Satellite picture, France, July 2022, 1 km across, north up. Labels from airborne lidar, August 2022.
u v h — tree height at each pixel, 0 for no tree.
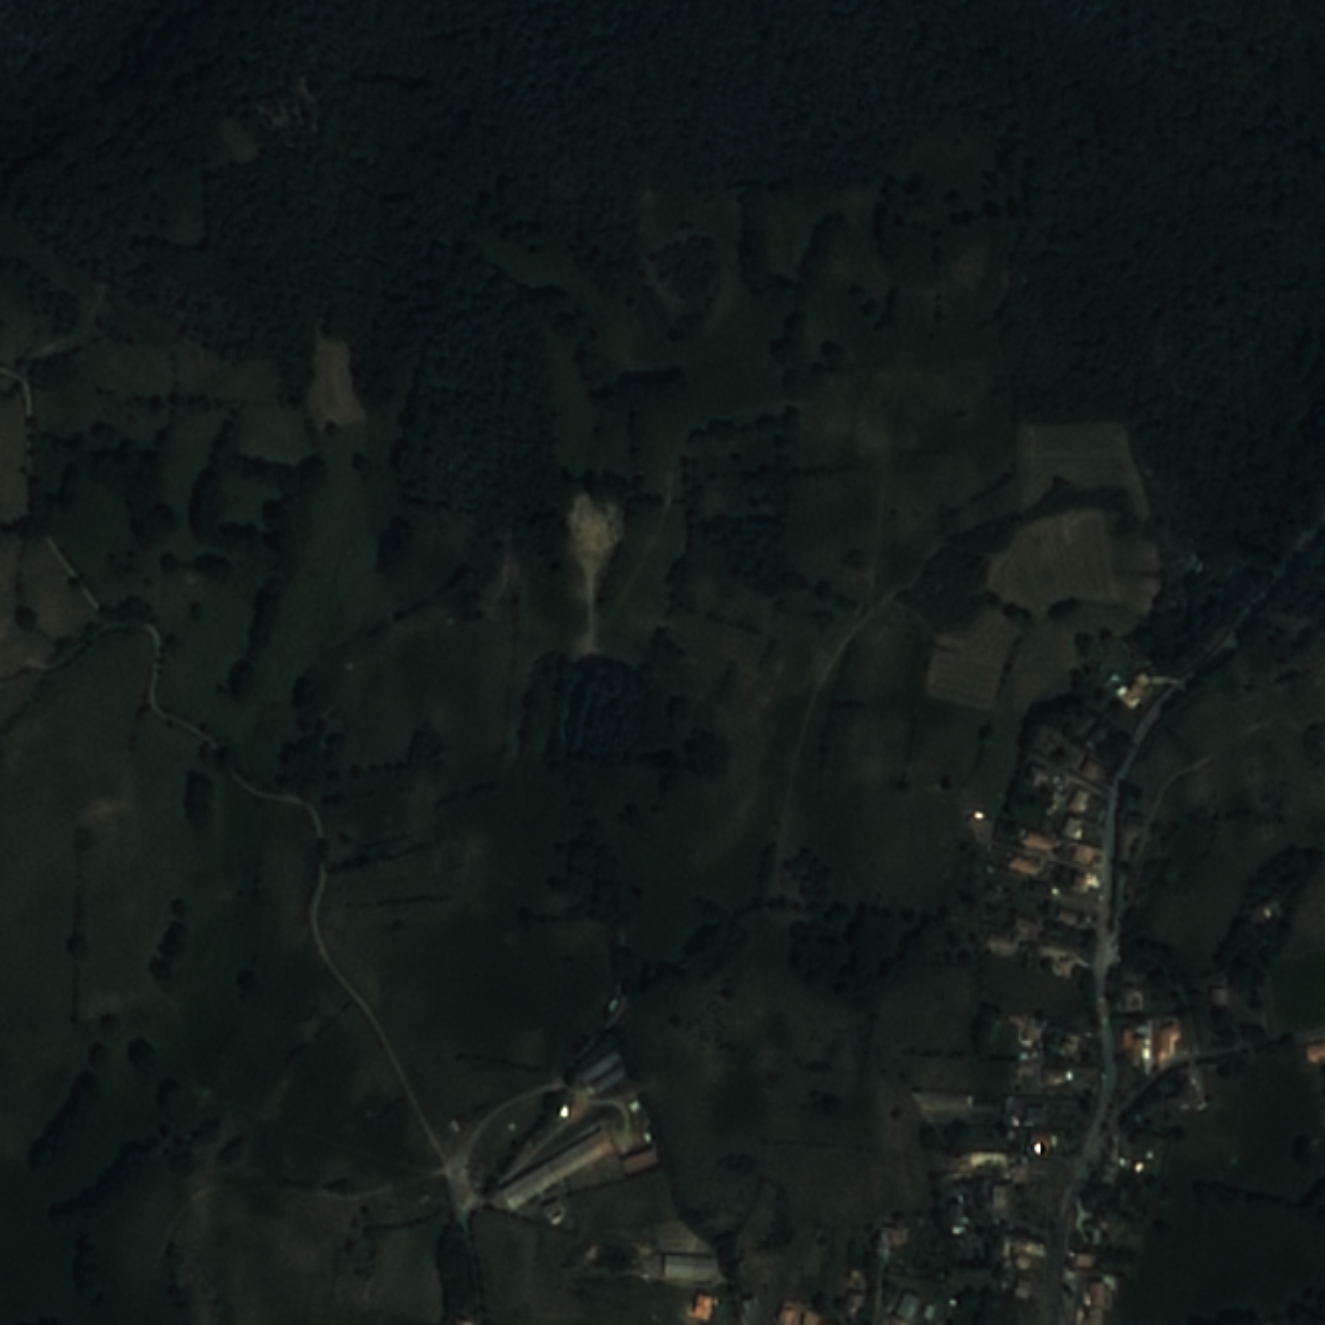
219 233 9
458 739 0
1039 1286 0
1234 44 19
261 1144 0
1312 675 0
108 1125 0
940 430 0
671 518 0
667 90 16
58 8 22
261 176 10
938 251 8
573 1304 0
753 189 19
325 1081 0
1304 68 22
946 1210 11
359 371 13
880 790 0
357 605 0
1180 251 13
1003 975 0
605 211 10
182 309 10
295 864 0
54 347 0
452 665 0
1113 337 7
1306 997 0
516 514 11
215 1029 0
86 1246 14
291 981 0
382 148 20
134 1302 0
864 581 0
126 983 0
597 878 9
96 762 0
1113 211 13
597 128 9
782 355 12
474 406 9
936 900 0
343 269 15
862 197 0
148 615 8
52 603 0
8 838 0
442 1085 0
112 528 0
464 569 12
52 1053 0
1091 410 11
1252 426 23
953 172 0
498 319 11
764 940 0
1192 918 0
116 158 18
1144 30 13
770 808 0
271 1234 0
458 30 16
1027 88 21
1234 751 0
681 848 0
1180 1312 0
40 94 20
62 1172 0
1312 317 23
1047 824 0
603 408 16
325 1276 0
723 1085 0
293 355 14
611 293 10
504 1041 0
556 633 0
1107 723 6
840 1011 0
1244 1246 0
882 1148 0
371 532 0
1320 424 22
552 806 0
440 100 23
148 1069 17
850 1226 0
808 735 0
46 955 0
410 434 16
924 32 19
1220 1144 0
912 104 10
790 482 8
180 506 0
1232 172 19
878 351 0
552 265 0
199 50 21
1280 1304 0
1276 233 12
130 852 0
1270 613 7
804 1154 0
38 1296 0
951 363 0
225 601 0
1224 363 11
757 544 11
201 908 0
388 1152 0
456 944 0
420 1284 0
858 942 13
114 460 16
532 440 9
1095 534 0
